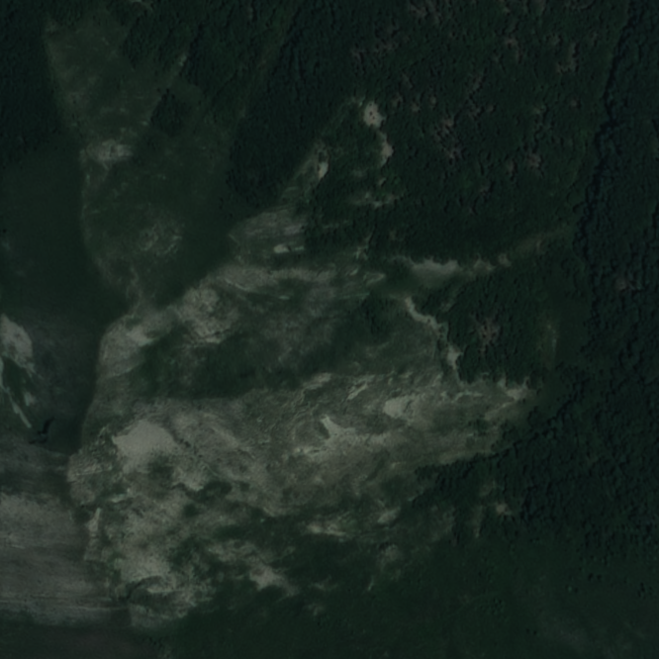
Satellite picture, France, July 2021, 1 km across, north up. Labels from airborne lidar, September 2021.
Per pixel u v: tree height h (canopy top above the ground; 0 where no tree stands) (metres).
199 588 0
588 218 9
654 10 19
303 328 0
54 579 0
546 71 18
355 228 16
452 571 0
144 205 0
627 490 13
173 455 0
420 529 0
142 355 0
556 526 16
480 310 19
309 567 0
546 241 6
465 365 15
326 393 0
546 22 18
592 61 22
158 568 0
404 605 0
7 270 0
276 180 10
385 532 0
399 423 0
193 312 0
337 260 0
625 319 16
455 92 21
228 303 0
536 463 17
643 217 20
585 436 19
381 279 0
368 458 0
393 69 21
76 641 0
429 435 0
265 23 23
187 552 0
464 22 15
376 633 0
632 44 28
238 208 0
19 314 0
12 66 9
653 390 21
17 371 0
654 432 9
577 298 7
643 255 19
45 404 0
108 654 0
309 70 19
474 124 25
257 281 0
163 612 0
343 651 0
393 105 21
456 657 0
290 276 0
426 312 12
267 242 0
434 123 22
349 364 0
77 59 0
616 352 10
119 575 0
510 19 18
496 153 22
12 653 0
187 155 0
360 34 27
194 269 0
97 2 9
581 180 10
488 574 8
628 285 6
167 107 11
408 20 22
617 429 15
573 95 24
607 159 13
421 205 17
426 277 0
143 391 0
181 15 20
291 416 0
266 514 0
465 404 0
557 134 26
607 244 24
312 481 0
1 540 0
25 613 0
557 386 0
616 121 14
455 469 7
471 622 0
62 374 0
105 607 0
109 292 0
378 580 0
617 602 0
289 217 0
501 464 20
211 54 17
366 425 0
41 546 0
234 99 10
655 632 0
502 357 24
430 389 0
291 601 0
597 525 9
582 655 0
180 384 0
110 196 0
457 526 8
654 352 11
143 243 0
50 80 7
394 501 0
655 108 24
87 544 0
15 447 0
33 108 12
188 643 0
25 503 0
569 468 16
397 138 23
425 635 0
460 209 23
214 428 0
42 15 12
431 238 10
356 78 16
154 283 0
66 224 0
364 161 13
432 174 22
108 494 0
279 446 0
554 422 20
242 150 11
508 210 16
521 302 24
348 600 0
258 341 0
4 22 14
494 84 23
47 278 0
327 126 10
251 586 0
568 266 18
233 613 0
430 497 11
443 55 24
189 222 0
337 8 22
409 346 0
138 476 0
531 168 18
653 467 8
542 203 20
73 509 0
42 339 0
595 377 10
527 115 22
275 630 0
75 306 0
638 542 8
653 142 22
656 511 10
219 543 0
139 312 0
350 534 0
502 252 10
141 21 16
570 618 0
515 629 0
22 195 0
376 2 27
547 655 0
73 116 8
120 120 0
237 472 0
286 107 16
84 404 0
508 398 0
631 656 0
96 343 0
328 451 0
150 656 0
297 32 12
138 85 0
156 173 0
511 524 18
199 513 0
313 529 0
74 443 0
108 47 0
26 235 0
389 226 19
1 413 0
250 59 6
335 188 13
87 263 0
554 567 0
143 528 0
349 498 0
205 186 0
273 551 0
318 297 0
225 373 0
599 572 0
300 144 11
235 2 23
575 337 0
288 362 0
